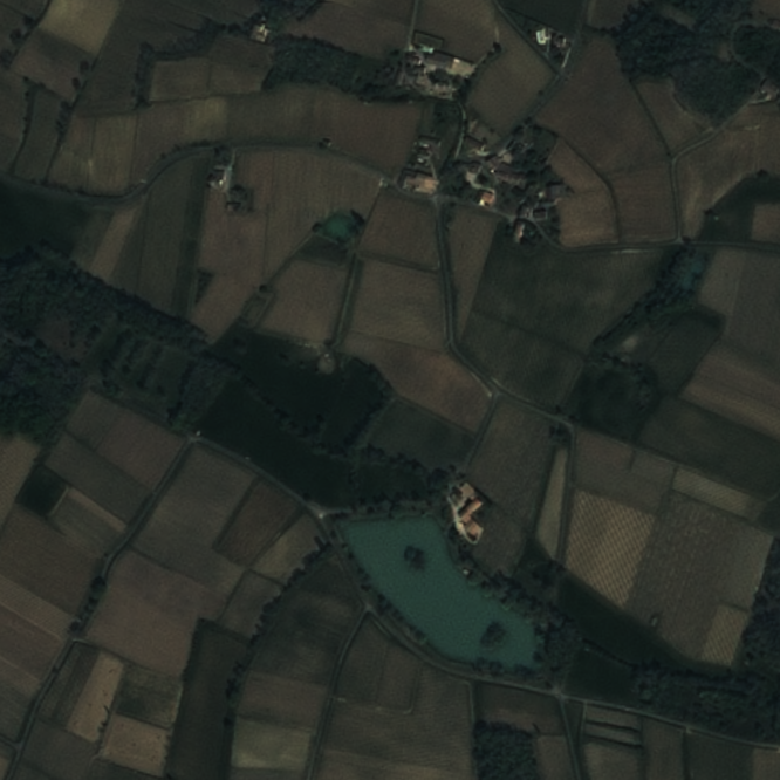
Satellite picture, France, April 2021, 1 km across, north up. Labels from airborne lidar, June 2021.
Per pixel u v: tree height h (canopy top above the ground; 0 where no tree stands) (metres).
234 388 0
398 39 0
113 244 0
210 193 0
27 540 0
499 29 0
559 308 0
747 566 0
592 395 0
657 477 0
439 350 0
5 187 0
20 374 27
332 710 0
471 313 0
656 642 0
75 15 0
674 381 0
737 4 17
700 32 11
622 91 0
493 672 7
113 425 0
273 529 0
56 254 14
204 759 0
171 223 0
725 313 0
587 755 0
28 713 0
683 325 0
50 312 12
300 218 0
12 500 0
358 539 0
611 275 0
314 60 18
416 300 0
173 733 0
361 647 0
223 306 0
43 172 0
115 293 13
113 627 0
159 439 0
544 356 0
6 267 16
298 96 0
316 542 0
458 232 0
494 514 0
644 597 0
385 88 6
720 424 0
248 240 0
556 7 0
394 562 0
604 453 0
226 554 0
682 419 0
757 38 8
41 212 0
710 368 0
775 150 0
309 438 17
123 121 0
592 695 0
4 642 0
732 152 0
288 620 0
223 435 0
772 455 0
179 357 0
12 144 0
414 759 0
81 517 0
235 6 0
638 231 0
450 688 0
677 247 0
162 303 0
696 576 0
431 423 0
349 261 0
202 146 10
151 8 0
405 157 0
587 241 0
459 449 0
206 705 0
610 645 0
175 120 0
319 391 0
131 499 0
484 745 17
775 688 0
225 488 0
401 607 0
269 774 0
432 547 0
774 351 0
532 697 0
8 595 0
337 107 0
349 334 0
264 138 0
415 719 0
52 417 25
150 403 0
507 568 0
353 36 0
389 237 0
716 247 0
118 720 0
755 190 0
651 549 0
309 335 0
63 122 14
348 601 0
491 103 0
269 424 0
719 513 0
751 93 16
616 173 0
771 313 0
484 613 0
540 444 0
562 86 0
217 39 0
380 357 0
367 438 20
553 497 0
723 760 0
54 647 0
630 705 0
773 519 0
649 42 15
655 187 0
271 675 0
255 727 0
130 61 0
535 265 0
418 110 0
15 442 0
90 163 0
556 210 9
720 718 10
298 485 0
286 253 0
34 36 0
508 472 0
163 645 0
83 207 0
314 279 0
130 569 0
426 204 0
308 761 0
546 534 0
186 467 0
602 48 0
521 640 0
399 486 0
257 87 0
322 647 0
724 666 0
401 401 0
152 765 0
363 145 0
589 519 0
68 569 0
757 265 0
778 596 14
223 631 0
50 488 0
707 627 0
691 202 0
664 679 29
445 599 0
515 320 0
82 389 23
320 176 0
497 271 0
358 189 0
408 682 0
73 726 0
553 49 12
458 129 6
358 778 0
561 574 15
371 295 0
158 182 0
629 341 0
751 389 0
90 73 12
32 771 0
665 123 0
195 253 0
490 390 0
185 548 0
